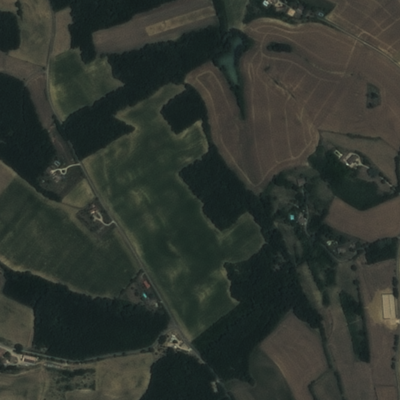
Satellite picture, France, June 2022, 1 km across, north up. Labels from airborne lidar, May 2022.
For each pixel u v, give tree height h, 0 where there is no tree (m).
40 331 11
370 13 0
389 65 0
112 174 0
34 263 0
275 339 0
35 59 0
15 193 0
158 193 0
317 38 0
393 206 0
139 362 0
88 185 0
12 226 0
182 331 0
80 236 0
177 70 22
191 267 0
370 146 0
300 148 0
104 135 17
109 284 0
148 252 0
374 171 14
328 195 0
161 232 0
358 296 8
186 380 16
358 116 0
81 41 13
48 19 0
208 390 19
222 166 22
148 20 0
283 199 0
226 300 0
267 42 0
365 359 10
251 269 7
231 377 9
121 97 18
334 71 0
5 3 0
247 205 20
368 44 0
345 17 0
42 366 0
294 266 6
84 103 0
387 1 0
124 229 0
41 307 26
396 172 11
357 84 0
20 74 0
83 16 19
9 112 19
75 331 21
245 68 0
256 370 0
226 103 0
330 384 0
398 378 0
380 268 0
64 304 23
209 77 0
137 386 0
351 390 0
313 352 0
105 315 20
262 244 0
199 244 0
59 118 0
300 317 21
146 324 17
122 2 9
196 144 0
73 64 0
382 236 0
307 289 0
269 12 6
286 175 0
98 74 0
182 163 0
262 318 11
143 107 0
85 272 0
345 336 0
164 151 0
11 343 0
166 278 0
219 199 20
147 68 16
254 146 0
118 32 0
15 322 0
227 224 19
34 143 15
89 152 13
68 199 0
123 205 0
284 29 0
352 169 6
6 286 9
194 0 0
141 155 0
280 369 0
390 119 0
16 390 0
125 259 0
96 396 0
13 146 15
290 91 0
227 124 0
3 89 16
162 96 0
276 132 0
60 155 0
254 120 0
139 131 0
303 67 0
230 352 21
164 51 21
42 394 0
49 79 0
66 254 0
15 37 15
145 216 0
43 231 0
